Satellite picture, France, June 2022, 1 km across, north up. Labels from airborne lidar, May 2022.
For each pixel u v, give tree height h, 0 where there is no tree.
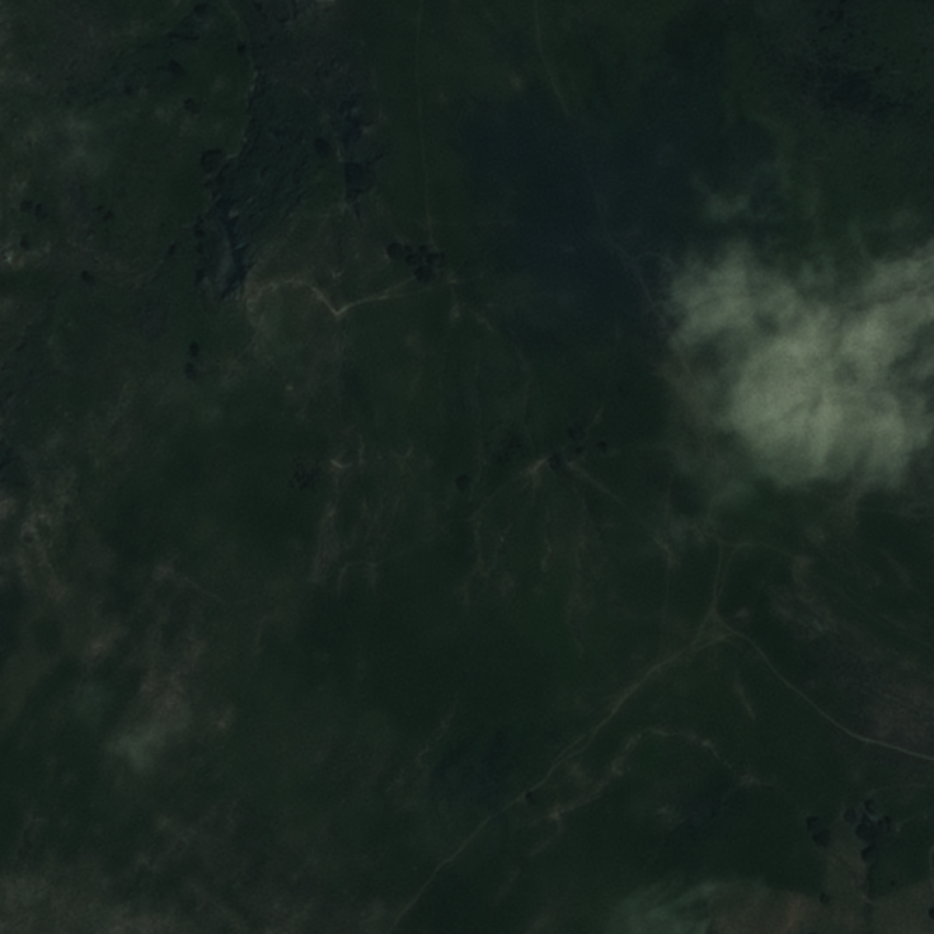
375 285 0
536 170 0
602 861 0
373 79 0
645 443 0
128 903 0
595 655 0
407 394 0
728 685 0
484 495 0
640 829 0
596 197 0
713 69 0
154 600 0
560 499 0
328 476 0
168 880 0
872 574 0
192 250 0
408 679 0
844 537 0
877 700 0
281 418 0
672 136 0
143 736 0
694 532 0
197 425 0
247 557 0
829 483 0
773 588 0
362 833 0
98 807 0
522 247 0
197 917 0
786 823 0
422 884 0
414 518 0
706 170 0
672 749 0
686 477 0
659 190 0
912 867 0
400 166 0
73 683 0
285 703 0
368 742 0
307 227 0
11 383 0
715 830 0
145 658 0
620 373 0
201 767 0
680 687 0
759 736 0
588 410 0
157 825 0
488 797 0
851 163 0
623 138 0
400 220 0
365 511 0
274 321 0
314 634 0
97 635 0
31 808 0
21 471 0
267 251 0
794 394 0
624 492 0
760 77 0
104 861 0
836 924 0
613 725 0
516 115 0
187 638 0
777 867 0
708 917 0
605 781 0
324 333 0
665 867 0
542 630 0
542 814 0
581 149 0
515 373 0
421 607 0
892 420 0
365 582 0
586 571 0
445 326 0
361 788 0
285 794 0
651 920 0
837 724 0
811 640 0
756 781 0
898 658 0
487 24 0
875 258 0
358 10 0
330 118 0
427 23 0
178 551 0
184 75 13
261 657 0
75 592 0
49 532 0
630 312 0
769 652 0
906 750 0
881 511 0
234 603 0
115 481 0
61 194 0
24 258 0
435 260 17
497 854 0
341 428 0
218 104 0
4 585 0
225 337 0
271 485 0
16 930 0
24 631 0
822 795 0
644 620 0
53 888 0
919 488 0
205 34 0
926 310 0
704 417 0
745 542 0
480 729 0
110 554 0
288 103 0
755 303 0
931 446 0
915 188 0
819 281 0
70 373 0
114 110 0
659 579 0
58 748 0
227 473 0
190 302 0
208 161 20
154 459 0
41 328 0
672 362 0
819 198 0
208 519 0
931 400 0
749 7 0
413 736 0
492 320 0
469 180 0
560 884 0
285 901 0
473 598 0
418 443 0
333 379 0
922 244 0
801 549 0
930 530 0
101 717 0
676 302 0
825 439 0
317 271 0
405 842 0
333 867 0
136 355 0
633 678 0
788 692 0
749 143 0
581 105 0
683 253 0
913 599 0
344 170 0
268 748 0
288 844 0
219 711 0
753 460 0
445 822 0
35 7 0
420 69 0
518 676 0
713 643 0
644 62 0
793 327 0
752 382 0
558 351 0
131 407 0
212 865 0
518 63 0
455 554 0
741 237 0
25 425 0
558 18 0
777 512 0
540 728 0
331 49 0
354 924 0
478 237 0
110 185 0
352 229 0
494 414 0
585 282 0
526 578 0
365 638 0
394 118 0
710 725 0
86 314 0
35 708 0
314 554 0
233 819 0
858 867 0
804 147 0
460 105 0
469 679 0
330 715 0
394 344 0
